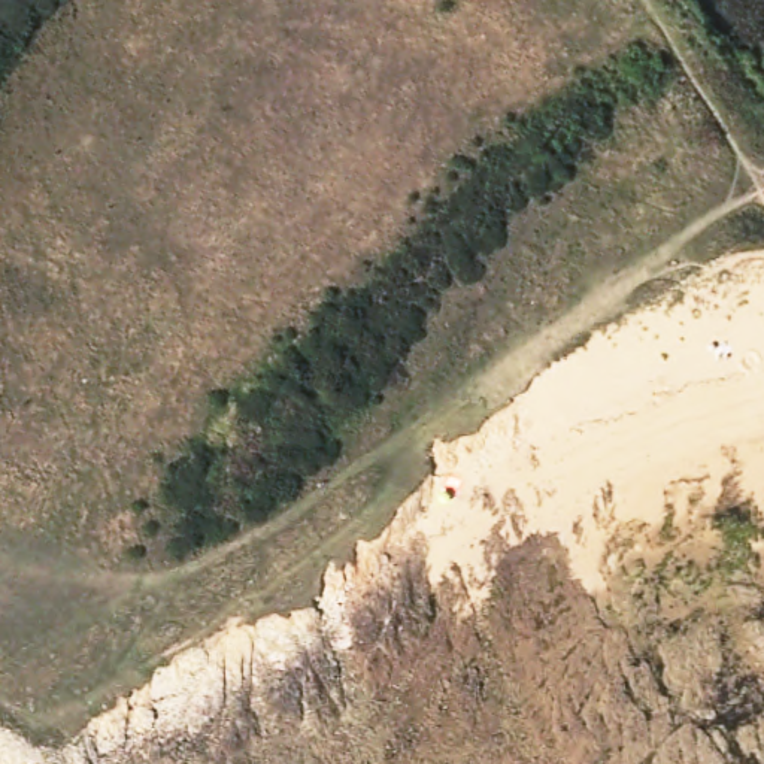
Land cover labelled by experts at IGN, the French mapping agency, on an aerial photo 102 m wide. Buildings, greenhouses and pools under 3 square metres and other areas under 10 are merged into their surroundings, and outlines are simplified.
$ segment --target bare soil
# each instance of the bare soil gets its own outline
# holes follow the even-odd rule
[[[561,191],[552,191],[549,203],[528,200],[522,212],[510,215],[507,245],[478,257],[486,266],[486,272],[478,284],[451,284],[451,289],[442,292],[439,310],[427,316],[424,340],[418,340],[406,355],[409,376],[385,388],[379,406],[370,406],[367,412],[355,415],[337,430],[343,454],[334,466],[316,472],[304,483],[304,492],[284,510],[278,510],[272,519],[248,531],[239,531],[227,543],[200,549],[182,564],[170,558],[167,543],[176,537],[182,513],[164,501],[161,478],[167,475],[173,460],[185,454],[191,436],[206,439],[209,445],[236,445],[239,436],[239,409],[233,403],[227,403],[227,409],[215,406],[209,400],[209,391],[254,391],[260,364],[281,361],[281,355],[269,346],[272,334],[278,328],[310,328],[310,313],[325,301],[328,287],[358,289],[370,284],[382,260],[391,251],[397,251],[400,239],[421,230],[427,197],[448,200],[472,179],[469,167],[451,167],[451,158],[478,158],[495,143],[513,143],[516,128],[504,122],[504,116],[510,110],[531,110],[543,96],[531,84],[531,69],[546,66],[540,33],[528,48],[519,48],[516,33],[507,24],[507,15],[492,0],[63,0],[54,9],[51,21],[42,24],[33,51],[24,54],[21,63],[0,81],[0,764],[764,764],[764,248],[743,251],[731,239],[731,227],[722,221],[710,224],[692,242],[683,245],[689,260],[704,263],[695,278],[686,278],[683,284],[674,284],[671,278],[651,278],[639,284],[627,298],[615,304],[615,310],[603,313],[600,319],[588,322],[579,334],[555,346],[552,358],[558,364],[537,376],[531,391],[522,394],[504,412],[489,412],[489,400],[480,394],[475,379],[501,358],[480,331],[507,310],[507,295],[525,278],[519,248],[531,248],[537,254],[537,266],[543,266],[555,239],[567,230],[573,212],[582,218],[597,218],[597,212],[606,212],[612,203],[621,200],[636,206],[636,191],[618,176],[618,161],[597,155],[591,164],[576,167],[576,176]]]

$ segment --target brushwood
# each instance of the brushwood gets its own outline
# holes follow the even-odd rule
[[[701,63],[701,81],[710,84],[716,101],[740,119],[743,134],[764,134],[764,45],[761,57],[755,60],[749,54],[722,57],[719,36],[710,36],[704,30],[704,12],[695,0],[660,0],[671,24],[680,27],[680,39],[695,51]]]
[[[21,63],[24,54],[33,51],[42,24],[51,21],[54,9],[63,0],[0,0],[0,81]]]
[[[573,84],[561,87],[552,96],[543,96],[531,110],[510,110],[504,116],[504,122],[516,128],[513,143],[495,143],[478,158],[451,158],[451,167],[469,167],[472,179],[448,200],[427,197],[421,230],[400,239],[397,251],[391,251],[382,260],[370,284],[358,289],[328,287],[325,301],[310,313],[310,328],[278,328],[272,334],[269,346],[281,355],[281,361],[260,364],[254,391],[209,391],[209,400],[215,406],[227,409],[227,403],[233,403],[239,409],[239,436],[236,445],[209,445],[206,439],[191,436],[185,454],[173,460],[167,475],[161,478],[164,501],[182,513],[176,537],[167,543],[170,558],[182,564],[200,549],[227,543],[239,531],[248,531],[272,519],[278,510],[284,510],[304,492],[304,483],[316,472],[334,466],[343,454],[337,430],[355,415],[367,412],[370,406],[379,406],[385,388],[409,376],[406,355],[418,340],[424,340],[427,316],[439,310],[442,292],[451,289],[451,284],[478,284],[486,272],[486,266],[478,257],[507,245],[510,215],[522,212],[528,200],[549,203],[552,191],[561,191],[576,176],[576,167],[591,164],[597,155],[606,146],[606,137],[612,137],[615,113],[621,107],[660,104],[669,81],[680,75],[674,54],[663,51],[648,39],[633,39],[627,42],[627,51],[609,54],[600,66],[576,66]]]

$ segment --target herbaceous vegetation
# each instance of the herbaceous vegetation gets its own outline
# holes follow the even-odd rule
[[[531,84],[543,96],[552,96],[561,87],[573,84],[576,66],[600,66],[609,54],[627,51],[627,42],[633,39],[648,39],[663,51],[674,54],[680,75],[669,81],[660,104],[621,107],[615,113],[612,137],[606,137],[606,146],[597,155],[618,161],[618,176],[636,191],[636,206],[621,200],[612,203],[606,212],[597,212],[597,218],[582,218],[573,212],[567,230],[555,239],[543,266],[537,266],[537,254],[531,248],[519,248],[525,278],[507,295],[507,310],[480,331],[501,358],[513,346],[534,337],[543,325],[552,325],[564,313],[570,313],[609,275],[621,275],[624,269],[636,266],[642,257],[654,254],[674,233],[680,233],[686,224],[719,206],[722,200],[752,191],[749,176],[737,167],[728,134],[737,134],[752,161],[764,167],[764,134],[743,134],[740,119],[716,101],[710,84],[701,81],[701,63],[695,51],[680,39],[680,27],[671,24],[660,0],[492,0],[507,15],[507,24],[516,33],[519,48],[528,48],[540,33],[546,66],[531,69]]]
[[[755,60],[761,57],[764,45],[764,0],[695,0],[704,12],[704,30],[710,36],[719,36],[722,57],[749,54]]]
[[[764,248],[764,209],[755,203],[749,209],[731,212],[722,221],[731,227],[731,239],[743,251]]]

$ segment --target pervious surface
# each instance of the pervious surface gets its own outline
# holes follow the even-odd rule
[[[651,278],[671,278],[674,284],[683,284],[686,278],[695,278],[704,263],[689,260],[683,245],[692,242],[710,224],[722,221],[731,212],[749,209],[755,203],[764,209],[764,167],[752,161],[737,134],[728,134],[737,167],[749,176],[752,191],[722,200],[719,206],[686,224],[680,233],[674,233],[654,254],[642,257],[636,266],[624,269],[621,275],[609,275],[570,313],[564,313],[552,325],[543,325],[534,337],[513,346],[501,358],[475,379],[480,394],[489,400],[489,412],[504,412],[522,394],[531,391],[537,376],[558,364],[552,358],[555,346],[579,334],[588,322],[600,319],[603,313],[615,310],[615,304],[627,298],[639,284]]]

